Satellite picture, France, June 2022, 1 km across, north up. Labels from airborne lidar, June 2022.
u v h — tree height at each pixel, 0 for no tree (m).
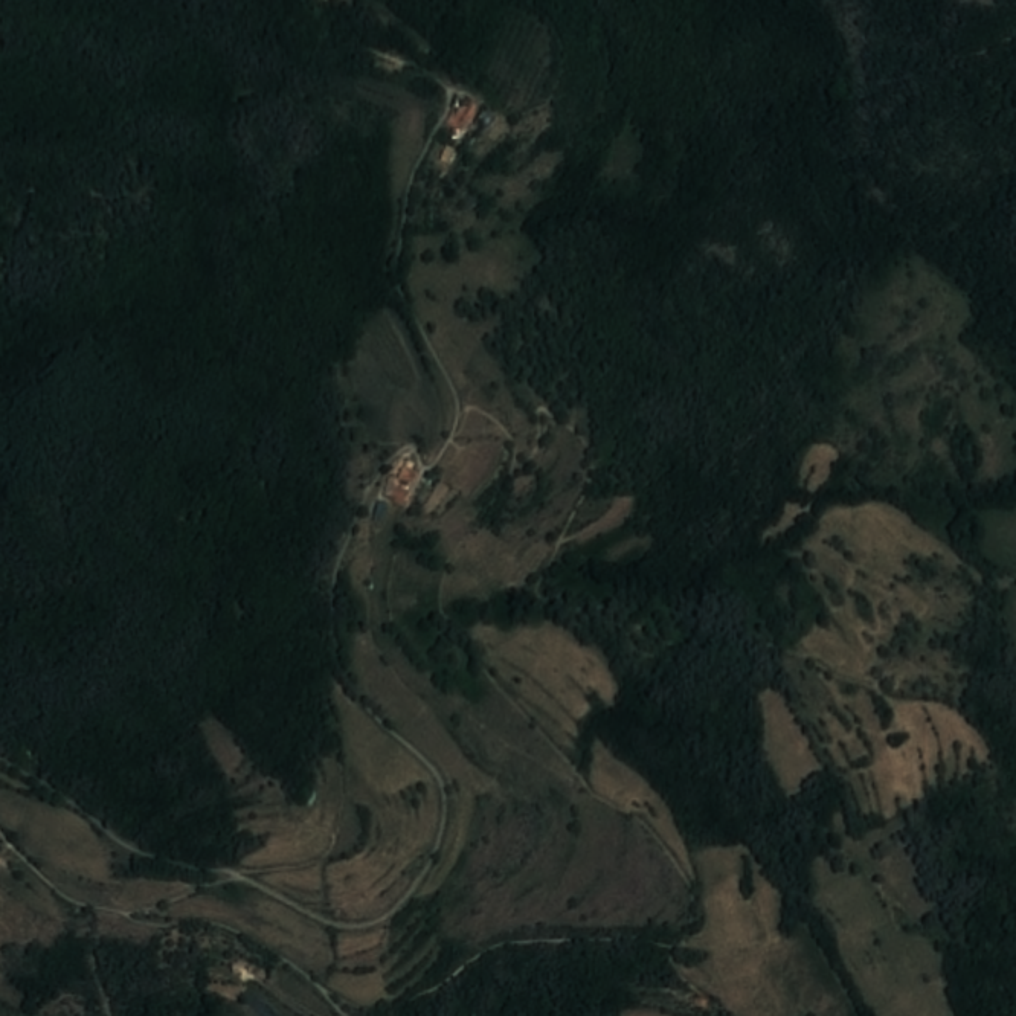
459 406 0
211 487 20
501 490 7
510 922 0
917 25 10
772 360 14
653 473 15
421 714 0
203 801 7
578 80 6
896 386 0
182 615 17
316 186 10
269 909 0
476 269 0
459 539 0
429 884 0
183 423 20
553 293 15
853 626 0
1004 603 9
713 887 0
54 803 16
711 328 13
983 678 11
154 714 14
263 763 10
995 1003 15
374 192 10
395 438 0
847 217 14
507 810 9
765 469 11
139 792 10
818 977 0
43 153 20
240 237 18
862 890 0
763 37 9
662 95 16
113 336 17
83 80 15
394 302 13
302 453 17
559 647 0
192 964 13
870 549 0
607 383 17
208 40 19
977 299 14
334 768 0
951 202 11
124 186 12
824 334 18
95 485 19
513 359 17
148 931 0
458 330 0
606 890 0
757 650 17
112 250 13
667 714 21
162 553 18
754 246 8
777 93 10
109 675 15
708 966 0
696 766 14
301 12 17
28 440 23
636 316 16
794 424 18
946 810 13
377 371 0
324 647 17
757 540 13
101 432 16
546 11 11
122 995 8
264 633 19
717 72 5
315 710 17
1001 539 0
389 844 0
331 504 16
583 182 12
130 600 17
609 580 23
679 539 14
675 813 7
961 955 15
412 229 15
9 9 15
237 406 19
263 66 12
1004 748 6
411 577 0
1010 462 0
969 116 13
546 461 0
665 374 17
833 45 18
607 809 0
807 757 0
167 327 20
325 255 15
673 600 19
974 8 7
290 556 27
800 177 18
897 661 0
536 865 0
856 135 7
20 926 0
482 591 0
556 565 12
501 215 7
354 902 0
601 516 0
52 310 17
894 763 0
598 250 16
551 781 0
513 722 0
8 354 16
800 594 12
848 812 20
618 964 15
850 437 0
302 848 0
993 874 13
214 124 15
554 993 23
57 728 19
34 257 15
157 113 14
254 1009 0
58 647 12
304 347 17
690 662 15
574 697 0
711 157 14
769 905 0
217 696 15
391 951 6
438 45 9
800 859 26
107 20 15
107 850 0
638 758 8
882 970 0
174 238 13
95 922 7
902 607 0
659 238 14
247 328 21
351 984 0
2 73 16
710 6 11
